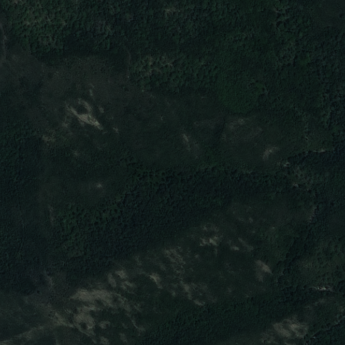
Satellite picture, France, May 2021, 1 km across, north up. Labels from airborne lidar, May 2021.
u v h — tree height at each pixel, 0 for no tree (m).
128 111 9
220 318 10
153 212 10
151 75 8
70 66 7
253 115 7
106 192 8
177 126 5
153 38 16
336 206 10
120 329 8
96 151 8
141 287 6
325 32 15
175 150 6
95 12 8
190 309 9
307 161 17
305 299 10
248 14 26
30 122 8
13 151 14
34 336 0
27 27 15
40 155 7
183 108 6
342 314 9
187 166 12
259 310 15
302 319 9
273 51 22
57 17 12
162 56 14
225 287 7
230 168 22
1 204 7
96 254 6
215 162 19
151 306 6
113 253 9
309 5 9
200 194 17
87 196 8
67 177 8
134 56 9
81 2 15
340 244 16
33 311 0
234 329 9
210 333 12
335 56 11
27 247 6
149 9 20
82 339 6
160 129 8
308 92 13
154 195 13
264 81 12
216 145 17
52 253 6
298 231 14
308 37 17
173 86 10
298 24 18
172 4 9
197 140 6
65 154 15
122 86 7
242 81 22
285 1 20
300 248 23
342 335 12
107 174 10
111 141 7
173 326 15
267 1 23
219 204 13
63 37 16
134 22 17
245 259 7
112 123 6
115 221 14
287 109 16
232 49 20
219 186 17
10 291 6
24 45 12
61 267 10
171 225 12
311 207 15
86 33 16
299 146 7
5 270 9
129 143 7
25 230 8
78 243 21
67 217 19
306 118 6
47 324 0
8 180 10
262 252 17
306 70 25
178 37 10
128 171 14
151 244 8
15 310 0
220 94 19
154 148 5
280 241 6
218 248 6
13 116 6
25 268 6
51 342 0
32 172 9
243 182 20
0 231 14
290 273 14
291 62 7
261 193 19
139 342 8
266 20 25
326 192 12
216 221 6
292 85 14
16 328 0
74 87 6
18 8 16
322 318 6
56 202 6
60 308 0
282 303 18
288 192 19
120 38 17
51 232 8
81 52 14
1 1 14
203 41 13
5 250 10
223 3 11
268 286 5
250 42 20
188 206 15
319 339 14
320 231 9
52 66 8
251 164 8
